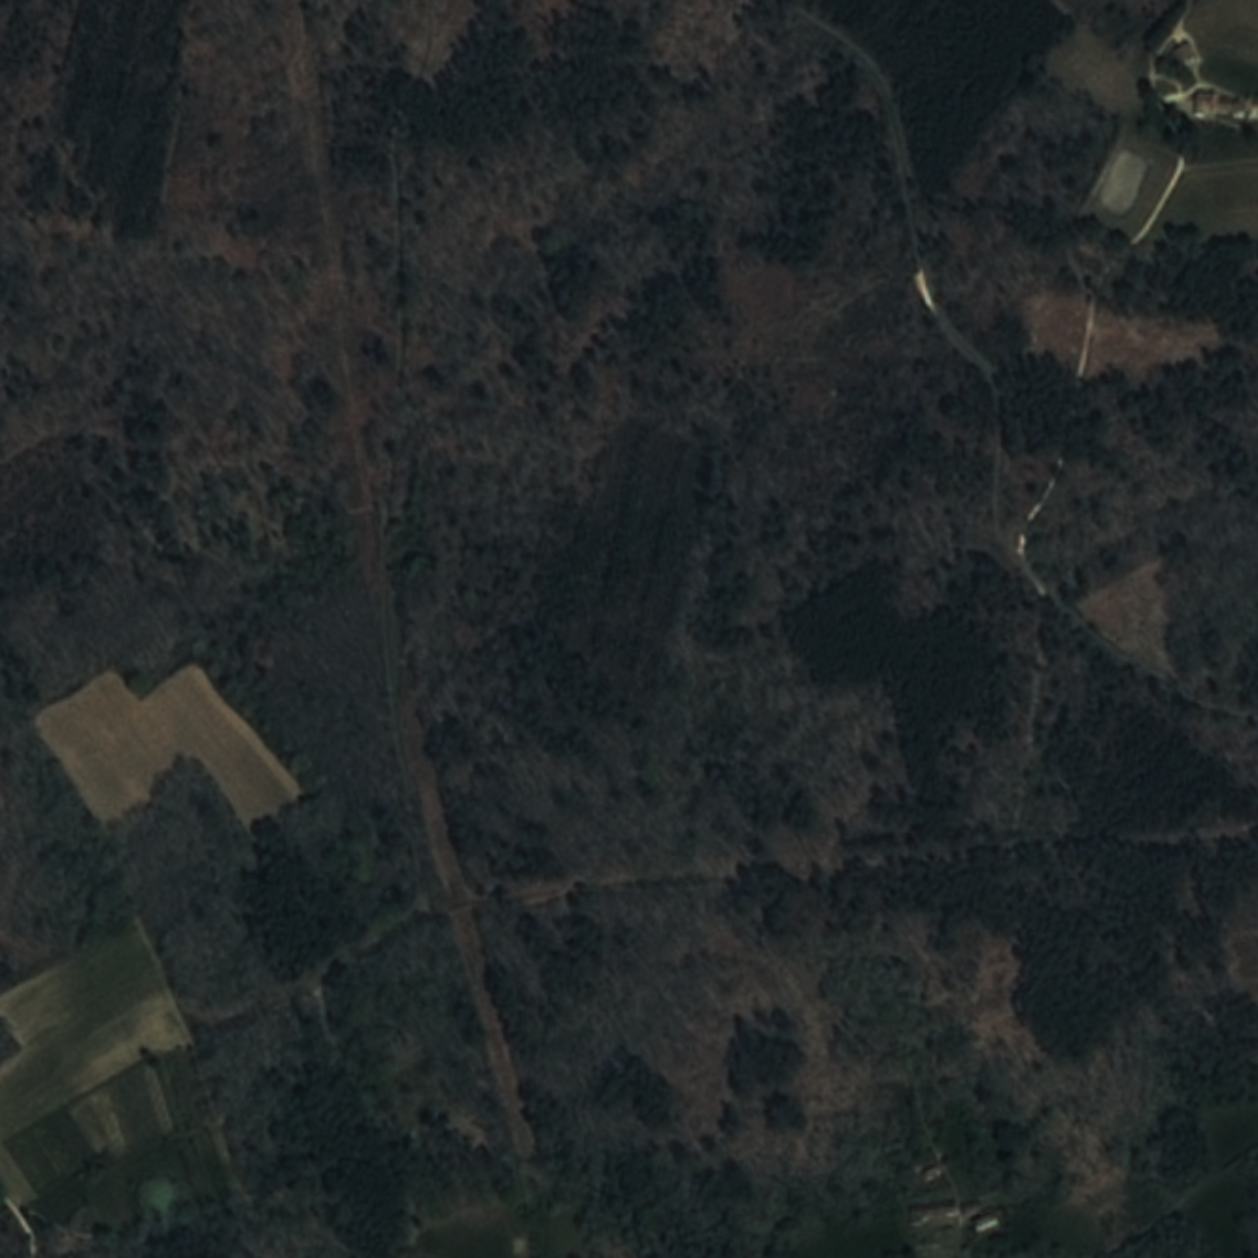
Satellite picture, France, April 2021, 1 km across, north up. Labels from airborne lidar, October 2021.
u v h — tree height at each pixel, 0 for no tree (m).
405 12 17
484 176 18
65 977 0
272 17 14
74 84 8
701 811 19
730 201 11
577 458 17
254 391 19
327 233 0
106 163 11
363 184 13
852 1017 18
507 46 24
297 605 14
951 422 20
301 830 18
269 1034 21
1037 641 13
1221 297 20
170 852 17
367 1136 19
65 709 0
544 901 0
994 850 25
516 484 17
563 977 28
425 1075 6
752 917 18
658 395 13
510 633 8
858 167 14
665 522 8
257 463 15
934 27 10
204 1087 6
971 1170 9
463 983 18
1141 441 17
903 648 16
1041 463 17
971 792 9
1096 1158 22
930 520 15
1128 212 0
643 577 6
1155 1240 11
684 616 17
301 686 11
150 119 8
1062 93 16
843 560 24
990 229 13
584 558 7
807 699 15
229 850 16
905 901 22
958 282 14
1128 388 20
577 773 17
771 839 25
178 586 12
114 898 22
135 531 12
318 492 15
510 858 26
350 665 14
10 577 7
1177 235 15
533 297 18
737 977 14
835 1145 15
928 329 10
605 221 8
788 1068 26
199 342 11
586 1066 22
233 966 15
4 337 14
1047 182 14
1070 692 8
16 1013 0
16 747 25
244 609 15
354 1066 23
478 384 8
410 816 17
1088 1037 31
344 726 12
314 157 0
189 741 0
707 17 0
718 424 16
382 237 15
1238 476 21
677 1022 16
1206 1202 0
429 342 15
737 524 24
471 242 9
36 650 18
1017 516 18
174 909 14
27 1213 9
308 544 13
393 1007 24
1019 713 11
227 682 10
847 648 17
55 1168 0
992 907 24
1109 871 28
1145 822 10
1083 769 17
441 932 19
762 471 7
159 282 20
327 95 10
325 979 0
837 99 16
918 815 21
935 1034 13
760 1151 10
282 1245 19
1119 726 10
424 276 15
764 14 17
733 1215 23
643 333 24
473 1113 22
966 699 15
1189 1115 11
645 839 22
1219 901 24
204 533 20
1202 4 0
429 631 8
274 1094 19
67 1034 0
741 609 23
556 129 26
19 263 14
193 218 12
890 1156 7
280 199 8
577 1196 15
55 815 24
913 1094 12
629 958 26
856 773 17
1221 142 0
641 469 7
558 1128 31
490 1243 0
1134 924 34
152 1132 0
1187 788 9
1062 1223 0
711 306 18
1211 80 0
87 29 13
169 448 12
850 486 8
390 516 13
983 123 9
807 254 17
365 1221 21
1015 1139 15
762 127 6
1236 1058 31
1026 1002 14
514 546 9
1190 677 16
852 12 10
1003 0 10
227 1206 16
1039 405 21
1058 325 0
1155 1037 21
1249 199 0
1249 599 17
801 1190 21
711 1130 12
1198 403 20
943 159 10
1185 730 21
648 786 24
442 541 8
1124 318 19
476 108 26
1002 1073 22
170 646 18
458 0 0
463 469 11
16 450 11
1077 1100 17
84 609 16
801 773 18
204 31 9
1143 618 0
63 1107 0
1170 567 16
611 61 21
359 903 17
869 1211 10
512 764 23
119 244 13
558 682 25
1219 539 14
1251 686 21
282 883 22
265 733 14
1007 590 24
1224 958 23
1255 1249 15
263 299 13
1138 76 0
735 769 19
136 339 11
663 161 11
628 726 26
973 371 9
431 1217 15
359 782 17
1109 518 19
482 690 14
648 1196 25
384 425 11
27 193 16
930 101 8
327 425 15
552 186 16
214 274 17
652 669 6
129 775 0
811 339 0
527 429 12
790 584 23
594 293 28
